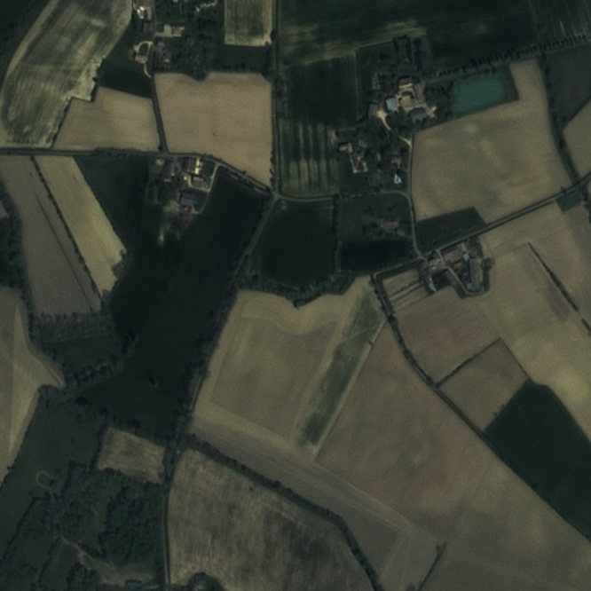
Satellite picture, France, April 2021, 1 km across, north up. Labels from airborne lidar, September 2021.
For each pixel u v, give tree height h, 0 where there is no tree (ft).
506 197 0
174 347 0
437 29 0
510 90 0
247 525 0
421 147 0
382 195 59
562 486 0
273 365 0
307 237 0
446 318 0
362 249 0
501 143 0
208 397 0
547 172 0
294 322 0
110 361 0
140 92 0
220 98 0
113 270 0
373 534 0
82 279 0
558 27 0
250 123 0
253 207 0
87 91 0
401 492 0
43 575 35
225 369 0
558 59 0
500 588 0
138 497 31
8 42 35
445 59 0
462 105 0
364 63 0
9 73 0
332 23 0
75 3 0
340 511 0
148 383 0
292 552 0
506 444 0
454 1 0
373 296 0
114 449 0
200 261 0
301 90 0
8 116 0
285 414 0
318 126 0
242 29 0
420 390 0
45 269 0
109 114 0
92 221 0
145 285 0
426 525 0
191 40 37
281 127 0
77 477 67
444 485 0
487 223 0
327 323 0
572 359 0
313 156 0
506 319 0
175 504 0
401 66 36
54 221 0
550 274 47
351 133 0
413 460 0
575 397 0
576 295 0
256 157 0
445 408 0
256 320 0
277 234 0
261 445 0
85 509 45
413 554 0
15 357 0
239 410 0
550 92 46
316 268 0
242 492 0
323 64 0
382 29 0
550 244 0
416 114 0
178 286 0
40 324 42
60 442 0
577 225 0
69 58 0
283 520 0
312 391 0
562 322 0
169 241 0
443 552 40
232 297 53
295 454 0
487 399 0
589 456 0
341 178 0
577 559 0
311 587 0
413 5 0
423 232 0
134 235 0
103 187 0
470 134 0
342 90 0
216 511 0
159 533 71
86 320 52
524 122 0
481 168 0
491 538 0
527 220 0
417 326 0
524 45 0
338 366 0
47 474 0
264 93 0
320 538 0
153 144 0
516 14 0
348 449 0
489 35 0
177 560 0
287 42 0
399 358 0
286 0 0
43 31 0
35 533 34
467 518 0
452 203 0
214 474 0
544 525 0
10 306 0
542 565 0
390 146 38
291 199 0
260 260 0
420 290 0
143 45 0
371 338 0
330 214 0
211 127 0
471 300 0
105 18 0
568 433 0
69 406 32
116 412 0
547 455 0
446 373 0
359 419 0
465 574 0
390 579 0
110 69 0
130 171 0
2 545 0
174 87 0
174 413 0
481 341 0
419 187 0
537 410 0
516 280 0
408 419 0
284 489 38
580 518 0
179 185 26
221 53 0
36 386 0
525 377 0
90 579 42
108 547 73
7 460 0
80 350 0
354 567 0
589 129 0
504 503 0
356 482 0
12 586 0
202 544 0
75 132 0
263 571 0
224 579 0
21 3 0
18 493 0
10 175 0
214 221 0
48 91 0
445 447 0
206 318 0
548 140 0
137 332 0
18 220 56
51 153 0
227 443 0
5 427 0
